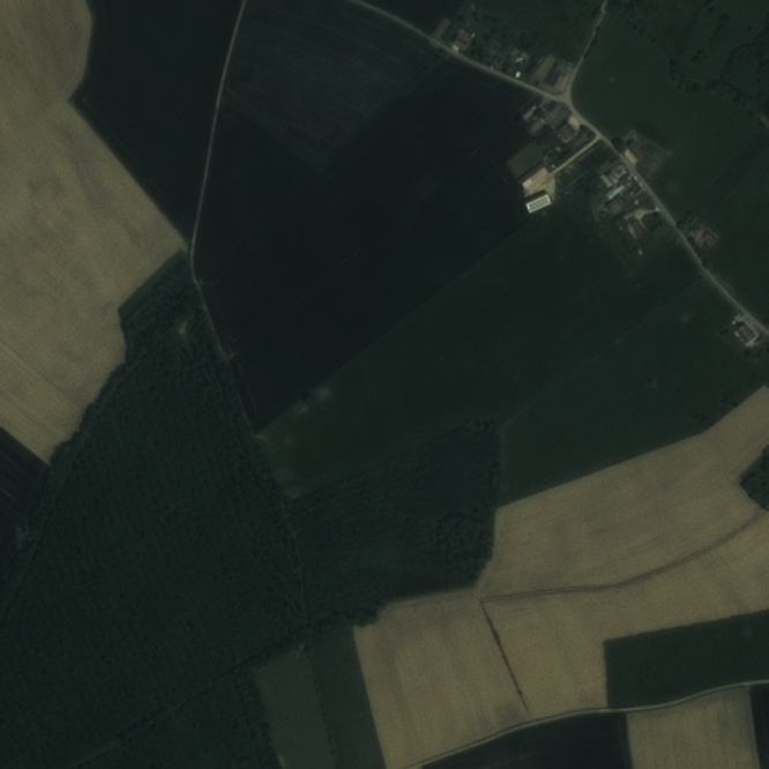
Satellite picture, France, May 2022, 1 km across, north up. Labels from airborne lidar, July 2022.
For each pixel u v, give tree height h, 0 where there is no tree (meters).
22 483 0
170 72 0
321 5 0
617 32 0
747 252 0
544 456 0
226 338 0
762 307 0
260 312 0
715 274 0
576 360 0
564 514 0
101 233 0
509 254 0
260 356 0
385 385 0
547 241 0
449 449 8
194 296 17
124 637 6
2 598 19
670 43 0
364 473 6
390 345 0
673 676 0
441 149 0
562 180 0
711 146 0
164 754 5
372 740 0
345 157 0
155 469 6
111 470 5
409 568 6
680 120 0
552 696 0
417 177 0
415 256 0
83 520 15
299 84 0
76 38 0
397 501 6
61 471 19
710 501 0
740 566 0
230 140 0
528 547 0
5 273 0
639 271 0
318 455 0
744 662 0
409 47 0
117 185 0
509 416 0
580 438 0
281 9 0
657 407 0
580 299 0
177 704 7
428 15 0
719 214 0
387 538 6
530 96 0
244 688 16
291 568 7
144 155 0
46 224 0
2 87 0
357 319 0
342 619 21
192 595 8
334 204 0
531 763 0
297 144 0
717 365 0
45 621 7
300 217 0
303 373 0
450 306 0
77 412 0
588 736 0
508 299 0
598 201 0
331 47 0
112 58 0
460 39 0
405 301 0
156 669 7
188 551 9
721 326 0
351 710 0
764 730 0
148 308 17
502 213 0
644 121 0
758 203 0
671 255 0
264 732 16
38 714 7
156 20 0
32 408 0
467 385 0
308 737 0
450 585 8
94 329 0
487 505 7
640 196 0
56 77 0
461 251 0
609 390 0
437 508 9
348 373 0
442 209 0
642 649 0
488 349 0
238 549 8
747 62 0
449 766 0
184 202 0
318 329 0
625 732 0
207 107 0
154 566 7
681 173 0
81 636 8
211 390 8
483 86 0
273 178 0
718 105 0
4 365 0
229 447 11
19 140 0
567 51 0
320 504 6
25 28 0
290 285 0
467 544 11
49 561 7
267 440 0
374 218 0
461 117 0
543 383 0
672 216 0
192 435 10
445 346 0
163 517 6
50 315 0
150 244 0
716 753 0
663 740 0
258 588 9
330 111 0
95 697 7
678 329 0
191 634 7
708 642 0
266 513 7
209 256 0
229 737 7
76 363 0
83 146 0
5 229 0
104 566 6
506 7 0
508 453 0
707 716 0
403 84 0
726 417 0
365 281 0
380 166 0
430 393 0
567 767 0
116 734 7
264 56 0
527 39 7
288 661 0
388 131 0
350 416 0
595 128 0
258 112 0
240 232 0
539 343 0
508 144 0
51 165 0
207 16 0
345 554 6
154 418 7
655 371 0
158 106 0
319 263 0
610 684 0
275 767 20
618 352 0
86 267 0
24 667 7
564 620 0
